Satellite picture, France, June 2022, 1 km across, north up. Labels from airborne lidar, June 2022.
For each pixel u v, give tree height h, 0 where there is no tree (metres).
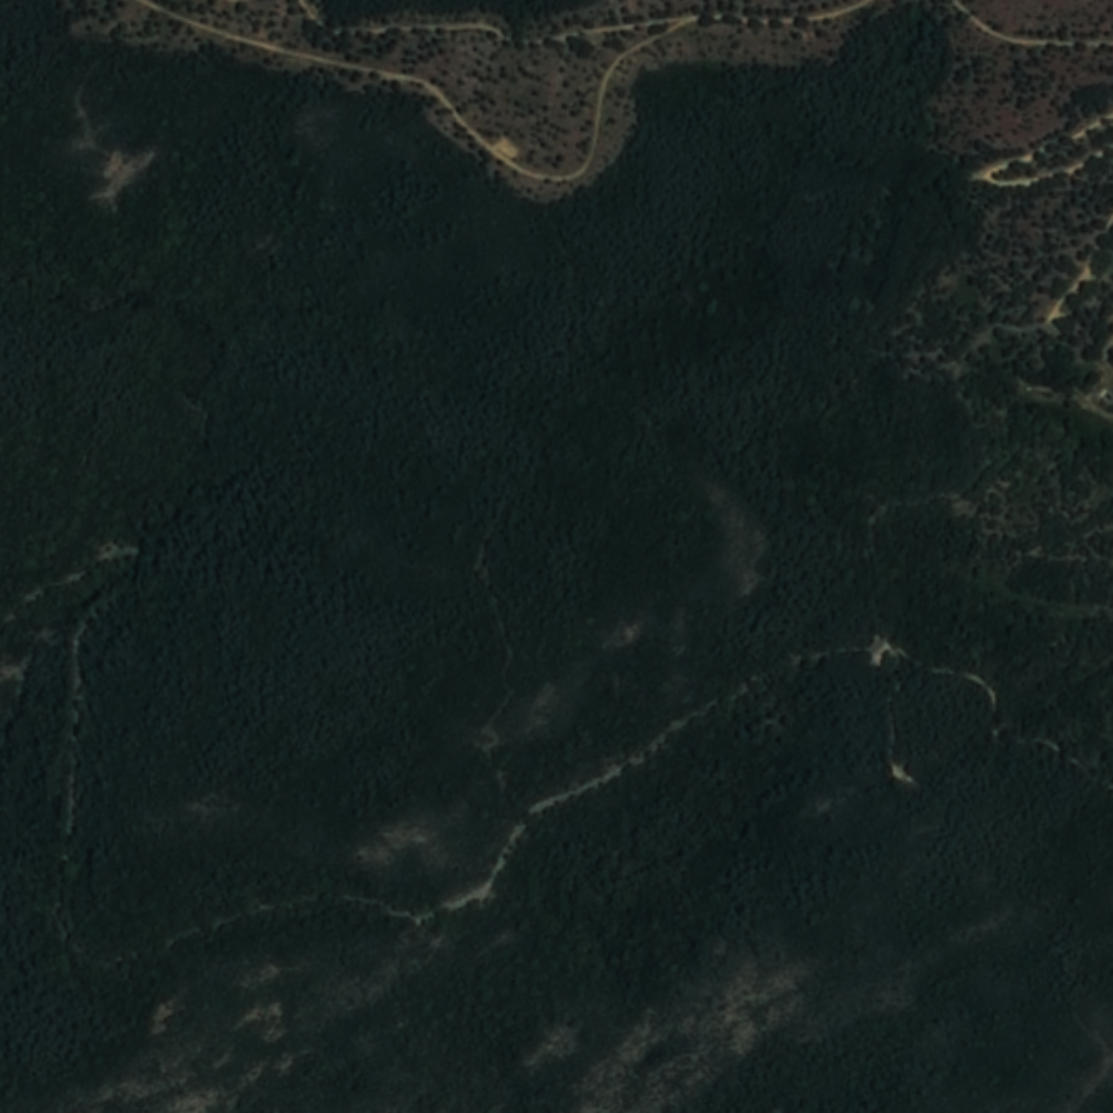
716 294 10
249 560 11
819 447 11
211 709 5
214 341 18
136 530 19
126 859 8
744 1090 13
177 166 8
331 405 6
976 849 11
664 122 13
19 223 7
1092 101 14
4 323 20
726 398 17
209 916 14
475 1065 7
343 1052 7
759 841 6
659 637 7
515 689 6
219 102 6
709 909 12
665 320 11
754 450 21
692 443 8
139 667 7
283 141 14
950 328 9
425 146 10
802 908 12
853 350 18
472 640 12
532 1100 15
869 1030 12
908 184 15
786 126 6
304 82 15
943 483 14
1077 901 12
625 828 14
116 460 6
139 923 9
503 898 7
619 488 9
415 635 16
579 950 17
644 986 10
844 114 17
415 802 11
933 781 8
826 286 15
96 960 9
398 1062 8
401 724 10
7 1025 18
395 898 7
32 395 16
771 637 18
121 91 6
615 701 8
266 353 7
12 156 8
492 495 10
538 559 8
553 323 14
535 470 13
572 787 8
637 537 10
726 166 5
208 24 7
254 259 7
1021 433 14
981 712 14
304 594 9
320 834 6
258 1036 6
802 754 8
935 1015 6
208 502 14
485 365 13
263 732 11
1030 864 12
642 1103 7
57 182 6
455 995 6
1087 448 15
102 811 6
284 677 13
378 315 7
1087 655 13
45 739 10
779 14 14
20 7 14
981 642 8
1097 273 9
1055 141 13
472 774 7
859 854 12
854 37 12
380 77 9
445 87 9
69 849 11
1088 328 17
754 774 8
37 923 10
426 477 6
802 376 17
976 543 10
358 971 6
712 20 11
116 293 15
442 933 9
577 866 12
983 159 11
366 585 14
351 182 6
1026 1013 6
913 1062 7
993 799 13
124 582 19
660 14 11
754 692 11
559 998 12
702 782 13
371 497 7
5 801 9
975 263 10
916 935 10
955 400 13
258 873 9
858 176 17
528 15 8
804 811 6
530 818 8
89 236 8
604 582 8
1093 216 6
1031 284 13
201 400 9
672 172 12
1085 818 8
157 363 11
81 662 8
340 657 17
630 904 13
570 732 7
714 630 7
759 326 11
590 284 12
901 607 8
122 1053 9
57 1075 11
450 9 9
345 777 9
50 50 14
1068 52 12
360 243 7
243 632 15
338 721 15
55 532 14
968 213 12
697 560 6
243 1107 12
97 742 12
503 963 8
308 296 9
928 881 11
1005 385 14
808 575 18
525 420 10
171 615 7
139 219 8
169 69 8
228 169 12
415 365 8
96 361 17
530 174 0
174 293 7
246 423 10
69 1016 19
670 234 18
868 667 15
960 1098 5
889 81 19
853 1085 11
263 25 7
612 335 7
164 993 11
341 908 8
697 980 6
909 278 6
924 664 9
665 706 7
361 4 12
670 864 15
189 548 18
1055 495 15
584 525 10
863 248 14
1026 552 12
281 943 11
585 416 9
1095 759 13
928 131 7
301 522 11
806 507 10
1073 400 8
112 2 13
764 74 13
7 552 12
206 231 14
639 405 9
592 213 13
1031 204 12
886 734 12
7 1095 14
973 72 13
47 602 9
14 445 6
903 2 12
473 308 8
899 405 11
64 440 12
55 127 8
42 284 13
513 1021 8
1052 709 6
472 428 13
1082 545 10
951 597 9
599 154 0
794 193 13
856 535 10
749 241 12
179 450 8
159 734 12
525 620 6
